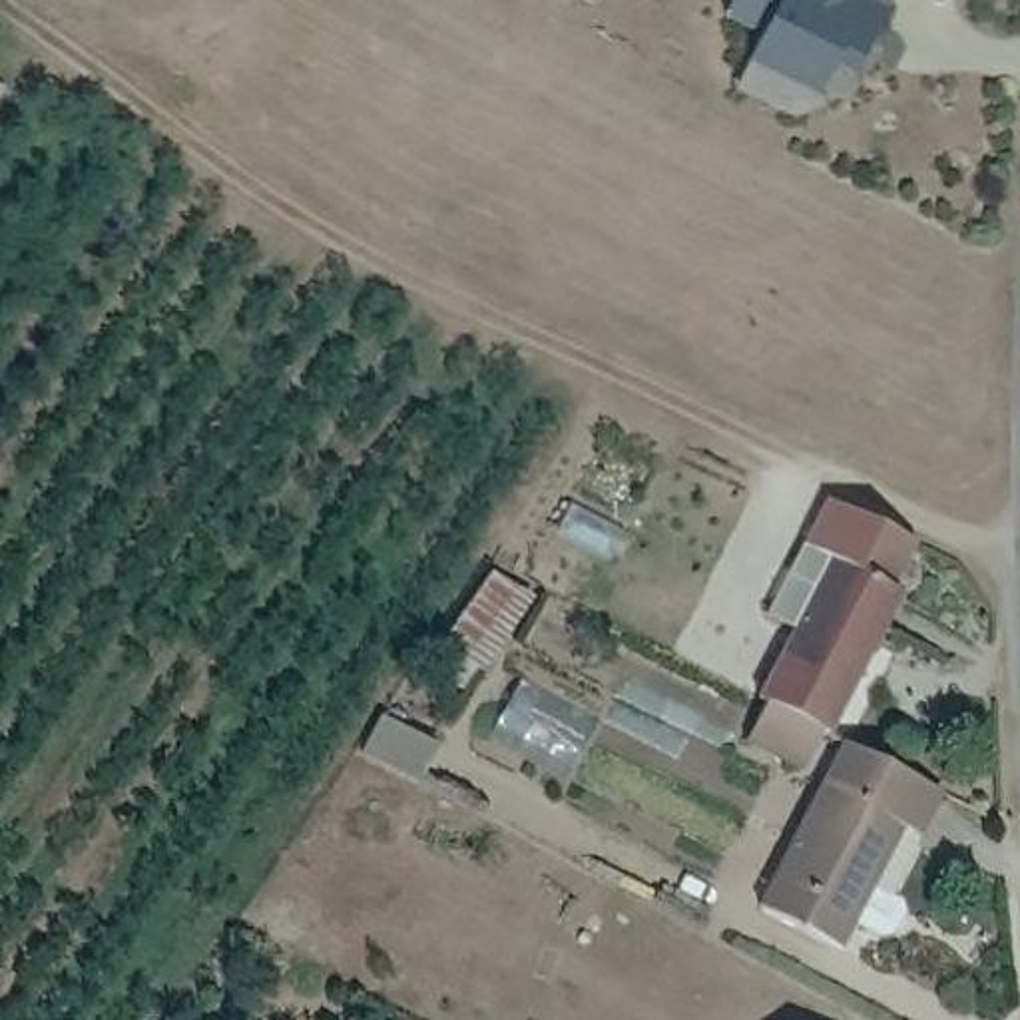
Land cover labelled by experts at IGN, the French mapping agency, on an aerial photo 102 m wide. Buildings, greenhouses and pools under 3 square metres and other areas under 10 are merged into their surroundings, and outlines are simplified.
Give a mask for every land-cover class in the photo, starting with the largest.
<instances>
[{"label":"agricultural land","instance_id":"1","mask_svg":"<svg viewBox=\"0 0 1020 1020\"><path fill-rule=\"evenodd\" d=\"M566 4L534 0H0V128L16 120V112L40 88L84 100L104 84V92L120 104L116 124H128V116L135 112L151 120L159 135H167L159 147H151L155 159H171L175 151L183 155L187 183L179 195L167 199L155 235L171 239L183 227V211L199 207L219 235L231 227H247L259 239L255 259L263 271L287 263L303 283H311L343 275L351 267L355 275H379L406 291L410 307L394 319V327L402 339L414 343V375H406L394 386L383 414L367 422L355 438L323 414L311 442H287L283 458L319 454L331 466L339 458L355 466L351 478L339 482L335 498L319 506V522L311 530V542L303 546V570L315 566L331 522L343 514L351 490L367 478L371 458L402 442L414 414L438 406L434 386L442 383L446 363H458L474 343L486 351L494 343H510L518 359L538 379H546V398H554L562 414L558 434L570 458L590 462L594 454L598 418L618 422L626 434L649 438L657 454L709 446L713 426H725L785 458L817 454L845 462L857 470L853 482L873 486L885 502L908 494L920 506L972 526H988L1000 518L1012 490V410L1020 402V243L1000 255H988L984 243H976L964 255L936 231L912 227V219L896 211L869 207L857 219L837 203H825L793 171L781 175L757 167L761 151L737 139L733 120H713L705 135H689L665 124L657 116V96L630 84V48H622L618 40L598 44L594 28H566ZM375 582L371 554L355 550V574L335 578V598H363V590ZM506 685L494 701L478 709L470 729L474 757L502 773L530 777L534 785H542L550 801H570L594 825L626 837L630 845H641L661 861H673L677 873L697 881H709L721 853L741 837L761 785L773 773H785L781 757L745 741L753 737L765 713V705L753 697L749 709L729 705L713 689L669 673L665 665L626 645H618L614 661H602L598 653H574L566 618L554 622L542 614L526 638L510 641L502 665ZM120 641H108L100 661L76 681L68 709L60 713V721H52L36 757L16 777L0 773V837L24 833L28 841V849L4 869L40 881V900L32 908L36 932L28 936V948L40 952L44 944H52V936L44 932L48 916L60 912V904H76L80 889H104V877L128 865L124 821L143 817L151 797L171 801L155 769L167 765L163 745H175V733H203L211 725V717H203V705L211 693V657L199 641L175 638L151 641V665L131 669L120 657ZM175 657L191 661V689L163 713L159 729L147 737L139 769H131L100 801L96 833L76 853H68V861L60 853H48L44 821L60 809H72V793L84 789L88 769L108 753L112 737L151 697V685L167 677ZM343 777V769L331 757L323 761L311 785L275 797L259 813L255 841L243 849V857L227 865L251 900L275 877L279 857L311 825L315 805L331 797L335 781ZM139 924L131 932V948L112 956V980L92 996L80 1020H96L112 1008L116 996L128 992L131 972H143V980L159 992L195 984V964L219 948L223 920H247V904L239 896L203 900L183 889L155 893V900L143 912H135Z\"/></svg>","mask_w":1020,"mask_h":1020},{"label":"deciduous trees","instance_id":"2","mask_svg":"<svg viewBox=\"0 0 1020 1020\"><path fill-rule=\"evenodd\" d=\"M725 64L741 76L757 56V44H749V28L733 16L721 24ZM120 104L104 92V84L84 100L40 88L16 112V120L0 128V773L16 777L36 757L52 721H60V713L68 709L76 681L100 661L108 641H120V657L131 669L151 665V641L175 638L199 641L211 657V693L203 705V717H211V725L203 733H175V745H163L167 765L155 769L171 801L151 797L143 817L124 821L128 865L104 877V889H80L76 904H60V912L48 916L44 932L52 936V944H44L40 952L28 948V936L36 932L32 908L40 900V881L4 869L28 849V841L24 833L0 837V1020H80L92 996L112 980V956L131 948V932L139 924L135 912H143L155 900V893L183 889L203 900L239 896L247 904L251 900L227 865L243 857V849L255 841L259 813L275 797L311 785L323 761L331 757L339 749L347 713L379 705L371 689L383 673H402L410 685H422L430 713L446 725L466 705V693L458 685L466 645L454 630L450 638L418 641V649H410L398 665L390 657L394 634H402L418 618L442 614L462 594V586L482 562L474 542L482 538L494 506L522 482V470L530 466L534 450L550 446V438L558 434L562 414L554 398H546V379H538L518 359L510 343H494L486 351L474 343L458 363H446L442 383L434 386L438 406L414 414L402 442L371 458L367 478L351 490L343 514L331 522L315 566L303 570V546L311 542V530L319 522V506L335 498L339 482L351 478L355 466L339 458L331 466L319 454L283 458L287 442H311L323 414L355 438L367 422L383 414L394 386L406 375H414V343L402 339L394 327V319L410 307L406 291L379 275H355L351 267L343 275L311 283H303L287 263L263 271L255 259L259 239L247 227H231L219 235L199 207L183 211V227L171 239L155 235L167 199L179 195L187 183L183 155L175 151L171 159H155L151 147H159L167 135H159L151 120L135 112L128 116V124H116ZM355 550L371 554L375 582L363 590V598H335V578L355 574ZM191 689V661L175 657L167 677L151 685V697L112 737L108 753L88 769L84 789L72 793V809H60L44 821L48 853H60L68 861V853H76L96 833L100 801L131 769H139L147 737L159 729L163 713ZM889 749L928 765V773L940 781H944L988 777V785H1000L996 713L988 721L952 717L940 733L893 729L885 737ZM904 900L912 916H928L948 932L980 928V952L972 964H964L948 944H936L916 932L881 936L861 948V960L869 968L920 980L940 996L948 1012L980 1020H1020V988L1012 968L1004 877L984 873L972 857L964 865L952 861L936 885H924L916 873L904 881ZM275 988H295L303 996L327 992L331 1000H339L343 1012L319 1008L315 1020H402V1008L390 996L331 972L319 960L299 956L291 944H275L267 928L247 920H223L219 948L195 964V984L159 992L143 980V972H131L128 992L116 996L112 1008L96 1020H271L275 1012H283Z\"/></svg>","mask_w":1020,"mask_h":1020},{"label":"herbaceous vegetation","instance_id":"3","mask_svg":"<svg viewBox=\"0 0 1020 1020\"><path fill-rule=\"evenodd\" d=\"M566 4V28H594L598 44L618 40L622 48H630V84L657 96V116L665 124L689 135H705L713 120H733L737 139L761 151L757 167L781 175L793 171L825 203H837L857 219L869 207L896 211L912 219V227L936 231L964 255L976 243L952 231L948 223L920 215V207H912L900 195L857 187L853 179L837 175L833 163L837 155L885 159L893 175L912 179L928 199H948L952 207L980 215L984 199L976 191V167L992 151L988 139L1008 131L1012 159L1004 179L1000 227H992L984 243L988 255H1000L1020 243V92L1012 96V116L984 120V76H920L900 72L896 64L865 76L853 92V104L829 100L813 112H777L765 100L745 96L741 76L725 64L721 24L733 16L725 8L729 0H534ZM749 494V470L709 446L657 454V466H626L614 458V450L594 454L590 462L570 458L558 434L550 438V446L534 450L530 466L522 470V482L494 506L482 538L474 542L482 562L462 586V594L442 614L418 618L402 634H394L390 657L398 665L410 649H418V641L450 638L454 630L462 610L474 602L490 574L530 594L542 582V614L554 622L566 618L570 610H606L610 618H622L634 630L677 649V638L705 594V582L733 526L741 522ZM379 705L347 713L339 749L331 757L343 769V777L335 781L331 797L315 805L311 825L279 857L275 877L251 900L247 904V920L267 928L275 944H291L299 956L319 960L331 972L390 996L402 1008V1020H869L853 1004H841V996L809 988L733 944L717 936L705 944V924L677 916L657 896L638 900L602 881L558 873L534 849V841L506 837L494 829L490 853L474 861L466 849H426L414 837V829L434 821L446 833L490 829L482 805H470L458 789L442 781H430V769H442L434 753L406 773L386 757L371 753L367 741L375 737L383 717L422 737H438V729L446 725L430 713L422 685H410L402 673H383L371 689ZM849 733L857 745H869L900 761L916 777L940 781L928 773V765L889 749L885 737L865 721L853 725ZM948 801L956 817L980 829L988 809H1000V785H988V777L944 781ZM283 1012H275L271 1020H315L319 1008L343 1012L339 1000H331L327 992L303 996L295 988H275Z\"/></svg>","mask_w":1020,"mask_h":1020},{"label":"pervious surface","instance_id":"4","mask_svg":"<svg viewBox=\"0 0 1020 1020\"><path fill-rule=\"evenodd\" d=\"M893 28L904 40V56L896 64L900 72L920 76H1000L1004 92L1012 96L1020 92V36H1000L972 24L964 0H893ZM709 446L749 470V494L741 522L733 526L705 582V594L677 638V649L685 661L733 681L737 689H753V669L777 634L765 610L777 606L789 570L813 542L829 502H849L869 514H881L896 530L916 526L924 538L956 550L996 602V586L1016 574V530L1000 518L988 526H972L920 506L908 494L885 502L873 486L853 482L857 470L845 462L817 454L785 458L725 426H713ZM904 626L952 649V665L920 661L912 649H893L889 669L869 693L865 721L885 737L893 729L940 733L952 717L988 721L996 713L1000 785V809H988L980 829L988 841L972 857L984 873L1004 877L1012 968L1020 988V673L996 669L1000 653L988 641L980 618H964L968 641H960L944 634L936 622L908 614ZM458 685L466 693V705L446 725L438 729V737L434 753L442 769H430V781H442L458 789L470 805H482L490 829H494L506 837L534 841V849L558 873L602 881L638 900L657 896L677 916L705 924V944L717 936L733 944V932L761 936L912 1020H980L948 1012L940 996L920 980L869 968L861 960V948L881 936L861 920L849 940H837L809 920L761 904L773 893V881L809 809L817 805L825 781L837 769L833 741L825 745L817 765L809 757H781L785 773H773L761 785L741 837L721 853L709 881H697L677 873L673 861H661L641 845H630L626 837L594 825L570 801H550L542 785H534L530 777L502 773L474 757L470 729L478 709L494 701L506 685L502 665L486 673L462 665Z\"/></svg>","mask_w":1020,"mask_h":1020},{"label":"building","instance_id":"5","mask_svg":"<svg viewBox=\"0 0 1020 1020\"><path fill-rule=\"evenodd\" d=\"M725 8L733 16L749 28V44H757V56L741 76L745 96L765 100L777 112H813L829 100L853 104V92L865 76L896 64L904 56V40L893 28V0H729ZM924 538L916 526L896 530L881 514H869L849 502H829L813 542L789 570L777 606L765 610L777 634L753 669V697L765 705V713L753 737L745 741L781 757H809L817 765L825 745L833 741L837 769L825 781L817 805L809 809L773 881V893L761 904L809 920L837 940H849L861 920L904 829L920 833L948 801L944 781H940L916 777L900 761L869 745H857L849 733L853 725L845 721V705L853 697V685L877 649H889V626L896 622V606L904 594L900 578L924 574ZM542 582L530 594L490 574L474 602L462 610L454 630L466 645L462 665L486 673L502 665L510 641L526 638L542 614ZM371 753L386 757L406 773L434 753L438 737H422L383 717L375 737L367 741Z\"/></svg>","mask_w":1020,"mask_h":1020},{"label":"brushwood","instance_id":"6","mask_svg":"<svg viewBox=\"0 0 1020 1020\"><path fill-rule=\"evenodd\" d=\"M972 24L1000 36H1020V0H964ZM984 120L1012 116V96L1004 92L1000 76H984ZM992 151L976 167V191L984 199L980 215L952 207L948 199H928L912 179L893 175L885 159L837 155L833 163L837 175L853 179L857 187L900 195L912 207H920V215L948 223L952 231L976 243H984L992 227H1000L1004 179L1012 159L1008 131L988 139ZM614 450V458L626 466H657V454L649 438L626 434L618 422L598 418L594 454ZM924 574L900 578L904 594L896 606V622L889 626V649H912L920 661L952 665V649L904 626L908 614L936 622L944 634L960 641H968L964 618H980L988 641H996V602L956 550L924 538ZM574 653H598L602 661H614L618 645H626L665 665L669 673L713 689L729 705L749 709L753 697V689H737L733 681L685 661L677 649L634 630L622 618H610L606 610H570L566 618ZM414 837L426 849H466L474 861L490 853L494 829H490L446 833L434 821L414 829ZM733 944L809 988L841 996V1004H853L869 1020H912L761 936L733 932Z\"/></svg>","mask_w":1020,"mask_h":1020},{"label":"impervious surface","instance_id":"7","mask_svg":"<svg viewBox=\"0 0 1020 1020\"><path fill-rule=\"evenodd\" d=\"M1016 530V574L996 586V641H988L1000 653L996 669L1020 673V402L1012 410V490L1000 518ZM893 649H877L853 685V697L845 705V721L853 725L865 721L869 693L889 669ZM988 841L980 829L956 817L948 801L920 833L904 829L861 920L881 936L916 932L936 944H948L964 964H972L980 952V928L948 932L928 916H912L904 900V881L916 873L924 885H936L952 861L964 865Z\"/></svg>","mask_w":1020,"mask_h":1020}]
</instances>
